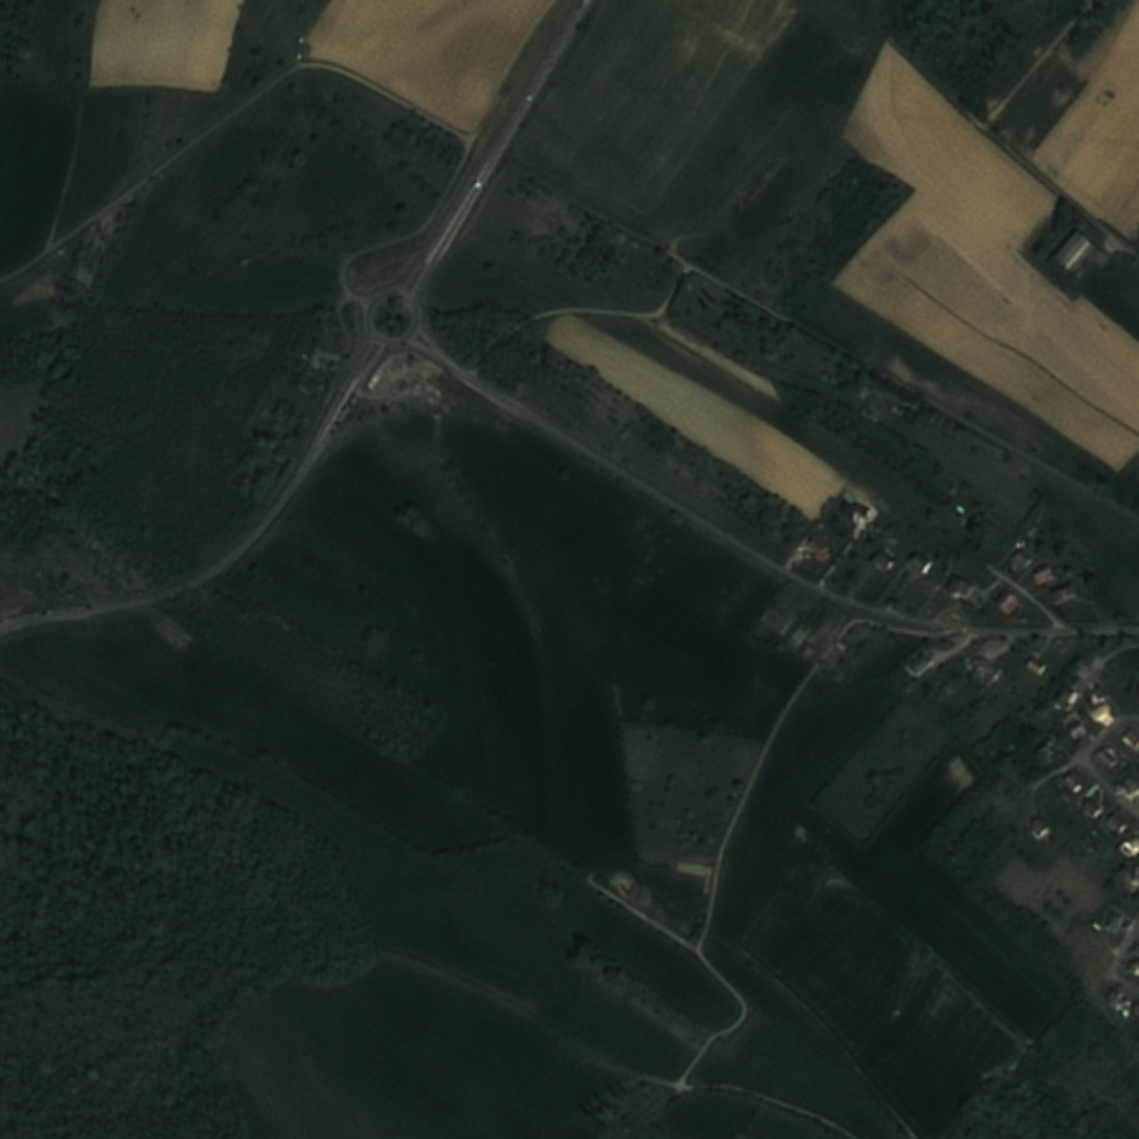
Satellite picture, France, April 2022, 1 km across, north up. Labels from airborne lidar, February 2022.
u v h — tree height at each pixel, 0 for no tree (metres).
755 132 0
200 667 0
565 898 16
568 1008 0
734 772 0
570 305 0
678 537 0
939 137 0
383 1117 0
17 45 11
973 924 0
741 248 0
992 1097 9
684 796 0
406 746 17
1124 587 0
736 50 0
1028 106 0
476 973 0
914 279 0
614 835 0
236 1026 0
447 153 6
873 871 0
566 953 0
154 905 15
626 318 0
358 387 0
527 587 0
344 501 0
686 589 0
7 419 0
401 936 0
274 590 0
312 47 0
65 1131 17
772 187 0
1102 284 0
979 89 6
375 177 0
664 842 0
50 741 7
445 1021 0
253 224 0
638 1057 0
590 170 0
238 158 0
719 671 0
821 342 8
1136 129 0
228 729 0
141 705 0
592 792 0
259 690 0
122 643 0
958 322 0
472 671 0
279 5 0
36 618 0
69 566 0
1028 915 7
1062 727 7
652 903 0
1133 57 0
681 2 0
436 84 0
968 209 0
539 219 0
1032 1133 16
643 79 0
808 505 0
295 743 0
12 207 0
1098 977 0
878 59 0
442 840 0
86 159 0
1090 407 0
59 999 0
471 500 11
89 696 0
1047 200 0
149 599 0
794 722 0
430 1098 0
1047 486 0
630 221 0
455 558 0
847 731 0
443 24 0
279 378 0
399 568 0
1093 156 0
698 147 0
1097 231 9
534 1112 0
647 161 0
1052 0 30
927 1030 0
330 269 0
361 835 0
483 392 0
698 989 0
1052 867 0
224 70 0
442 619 0
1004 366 0
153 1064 0
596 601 0
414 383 0
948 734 0
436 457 0
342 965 14
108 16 0
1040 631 0
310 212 0
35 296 0
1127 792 0
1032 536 0
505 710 0
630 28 0
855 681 0
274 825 16
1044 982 0
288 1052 0
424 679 0
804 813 0
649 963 0
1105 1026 6
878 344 0
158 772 13
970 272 0
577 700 0
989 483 0
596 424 0
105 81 0
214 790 13
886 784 9
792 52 0
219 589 7
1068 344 0
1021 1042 0
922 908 0
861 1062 0
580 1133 0
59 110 0
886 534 11
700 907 0
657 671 0
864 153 0
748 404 0
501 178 0
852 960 0
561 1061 0
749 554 0
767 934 0
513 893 0
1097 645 18
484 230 0
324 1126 0
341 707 0
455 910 0
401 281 0
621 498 0
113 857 22
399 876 0
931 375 0
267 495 20
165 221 0
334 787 0
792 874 0
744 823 0
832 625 0
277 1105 0
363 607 0
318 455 0
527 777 0
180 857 25
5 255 0
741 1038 0
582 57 0
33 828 21
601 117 0
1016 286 0
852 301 0
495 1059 0
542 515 0
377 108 0
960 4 15
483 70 0
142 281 0
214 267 0
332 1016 0
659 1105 0
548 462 0
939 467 6
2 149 0
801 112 0
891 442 0
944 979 0
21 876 26
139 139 0
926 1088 0
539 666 0
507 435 0
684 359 0
